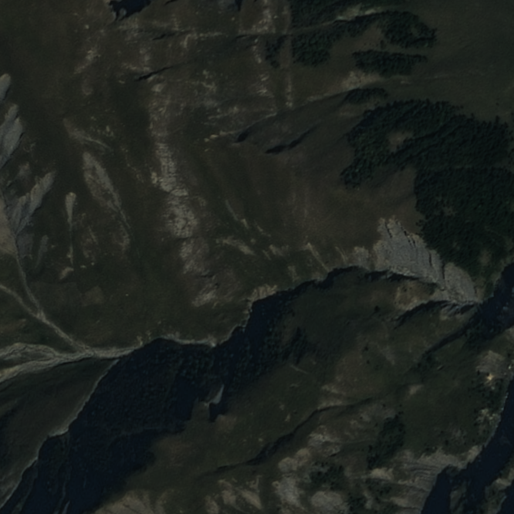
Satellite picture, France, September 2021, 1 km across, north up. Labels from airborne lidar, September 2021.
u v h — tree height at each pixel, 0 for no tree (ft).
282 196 0
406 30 37
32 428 0
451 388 0
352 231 0
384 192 0
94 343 0
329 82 0
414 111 43
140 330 0
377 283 0
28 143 0
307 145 0
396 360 0
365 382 0
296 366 0
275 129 0
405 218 0
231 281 0
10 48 0
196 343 0
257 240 0
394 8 0
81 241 0
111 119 0
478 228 23
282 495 0
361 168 27
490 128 38
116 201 0
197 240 0
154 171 0
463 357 0
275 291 0
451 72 0
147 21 0
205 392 0
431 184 30
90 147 0
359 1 27
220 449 0
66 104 0
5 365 0
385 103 0
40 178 0
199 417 0
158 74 0
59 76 0
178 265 0
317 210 0
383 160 49
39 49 0
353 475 0
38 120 0
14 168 0
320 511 0
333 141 0
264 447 0
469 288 0
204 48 0
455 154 41
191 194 0
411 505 0
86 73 0
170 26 0
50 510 0
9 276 0
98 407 20
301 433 0
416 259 0
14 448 0
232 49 0
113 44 0
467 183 37
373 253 0
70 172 0
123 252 0
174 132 0
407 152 35
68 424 0
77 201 0
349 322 0
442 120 34
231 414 0
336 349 0
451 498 0
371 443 0
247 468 0
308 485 0
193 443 0
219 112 0
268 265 0
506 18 0
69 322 0
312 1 40
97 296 0
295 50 33
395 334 0
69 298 0
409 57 30
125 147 0
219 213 0
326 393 0
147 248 0
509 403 0
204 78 0
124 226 0
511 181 53
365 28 30
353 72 0
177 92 0
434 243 46
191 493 0
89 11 0
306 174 0
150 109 0
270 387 0
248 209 0
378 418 0
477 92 0
